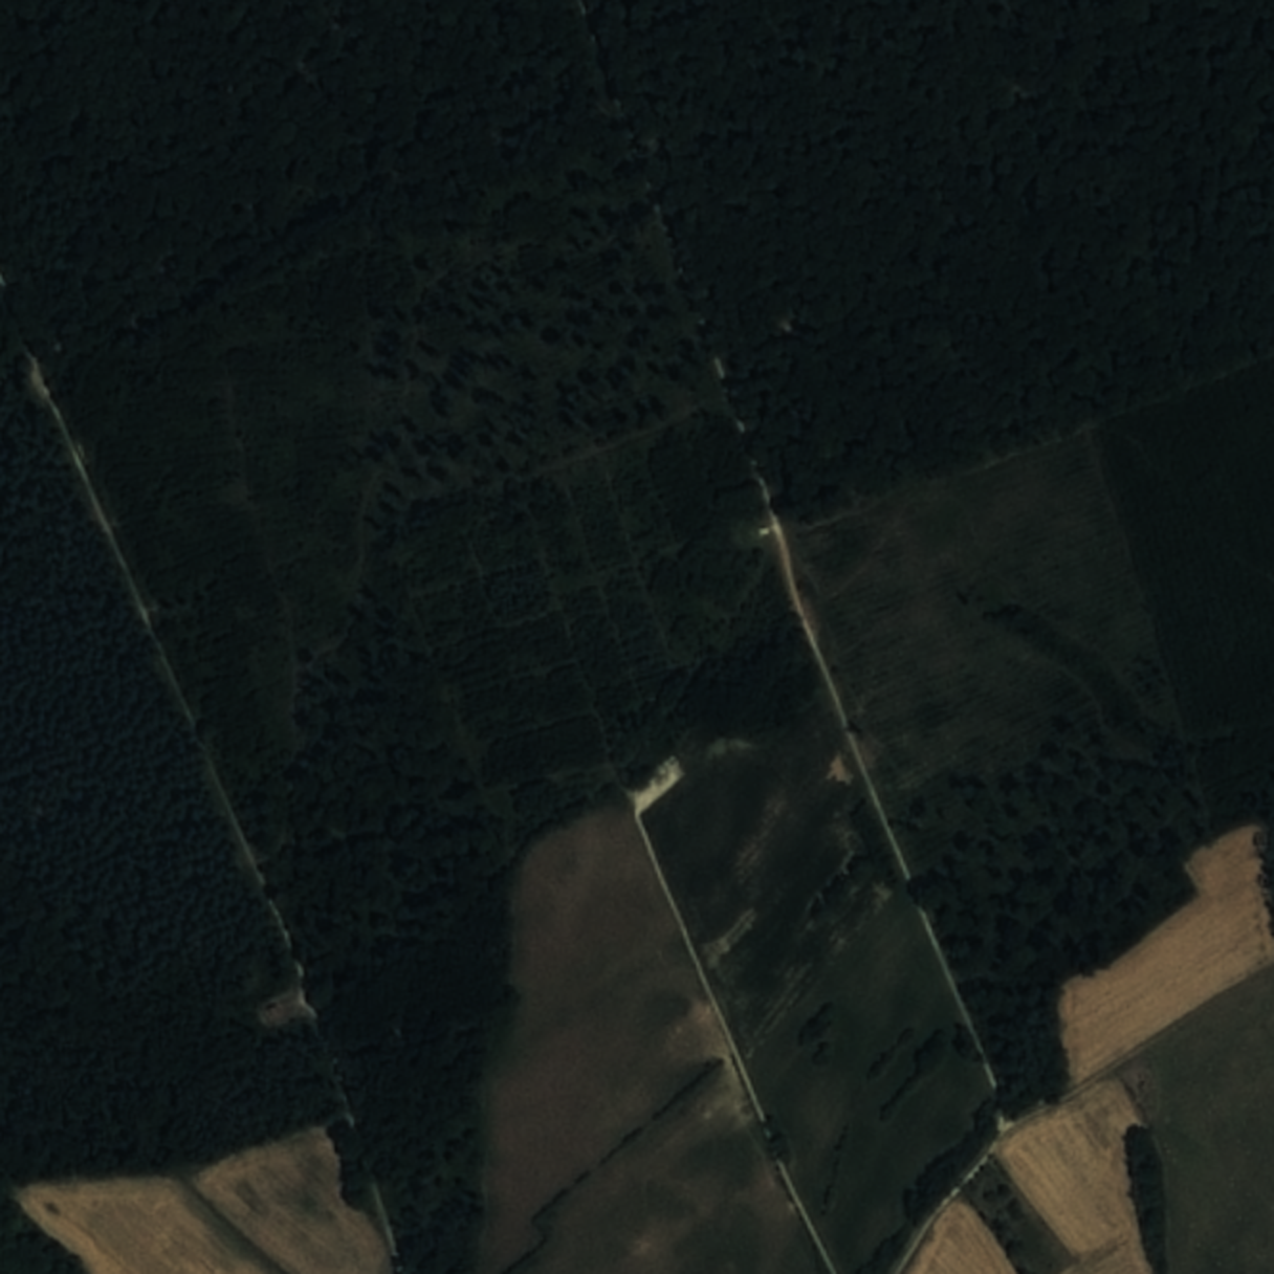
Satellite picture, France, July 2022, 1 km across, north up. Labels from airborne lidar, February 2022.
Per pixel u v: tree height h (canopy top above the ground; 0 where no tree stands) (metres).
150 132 28
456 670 7
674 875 0
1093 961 6
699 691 19
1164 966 0
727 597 8
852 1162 0
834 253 28
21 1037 23
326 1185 0
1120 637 0
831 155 23
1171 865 31
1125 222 30
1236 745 6
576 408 28
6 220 21
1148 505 5
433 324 28
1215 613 6
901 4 27
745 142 23
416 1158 10
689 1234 0
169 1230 0
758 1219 0
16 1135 24
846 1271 0
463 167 24
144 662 29
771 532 0
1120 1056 0
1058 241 29
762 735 12
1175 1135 0
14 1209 14
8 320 18
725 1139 0
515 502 20
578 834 0
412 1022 20
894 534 0
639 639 6
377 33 27
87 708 28
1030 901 24
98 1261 0
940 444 31
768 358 30
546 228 9
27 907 28
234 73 28
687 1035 0
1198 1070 0
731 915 0
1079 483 0
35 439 34
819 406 29
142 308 29
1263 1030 0
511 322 27
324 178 23
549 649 7
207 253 26
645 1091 0
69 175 26
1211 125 30
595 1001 0
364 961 25
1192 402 6
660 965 0
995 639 0
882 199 26
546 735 6
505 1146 0
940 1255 0
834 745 0
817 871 0
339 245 19
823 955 0
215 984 22
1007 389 27
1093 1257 0
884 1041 0
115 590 26
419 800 29
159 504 6
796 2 23
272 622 6
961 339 26
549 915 0
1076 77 28
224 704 8
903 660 0
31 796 31
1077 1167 0
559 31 26
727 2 29
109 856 21
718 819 0
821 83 24
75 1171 19
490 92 27
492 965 17
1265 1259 0
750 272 24
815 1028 12
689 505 8
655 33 27
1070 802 26
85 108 31
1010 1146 0
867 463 23
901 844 0
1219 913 0
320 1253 0
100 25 24
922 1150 0
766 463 20
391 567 8
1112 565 0
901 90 28
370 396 0
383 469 29
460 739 0
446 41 30
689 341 0
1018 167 29
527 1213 0
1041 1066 18
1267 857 24
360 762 31
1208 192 29
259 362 6
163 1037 17
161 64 28
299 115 28
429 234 29
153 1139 8
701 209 27
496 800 0
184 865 30
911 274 29
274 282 17
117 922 28
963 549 0
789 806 0
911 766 0
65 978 23
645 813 0
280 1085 14
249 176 27
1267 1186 0
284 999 0
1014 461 0
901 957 0
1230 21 31
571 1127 0
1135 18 27
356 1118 13
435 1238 19
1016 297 27
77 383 16
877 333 25
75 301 21
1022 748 0
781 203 22
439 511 15
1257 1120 0
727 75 26
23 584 19
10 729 31
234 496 0
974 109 30
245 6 26
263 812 25
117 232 25
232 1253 0
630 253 26
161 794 33
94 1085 24
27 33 29
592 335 28
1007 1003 25
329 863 22
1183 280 29
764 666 21
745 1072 0
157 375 7
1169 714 0
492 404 27
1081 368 29
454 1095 13
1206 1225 0
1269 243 27
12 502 29
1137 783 26
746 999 0
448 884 24
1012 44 30
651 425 11
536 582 10
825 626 0
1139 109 28
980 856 27
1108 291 30
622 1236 0
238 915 30
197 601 5
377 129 17
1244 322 27
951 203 29
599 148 26
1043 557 0
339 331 8
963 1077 0
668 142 28
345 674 0
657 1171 0
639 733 18
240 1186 0
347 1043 23
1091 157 30
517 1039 0
